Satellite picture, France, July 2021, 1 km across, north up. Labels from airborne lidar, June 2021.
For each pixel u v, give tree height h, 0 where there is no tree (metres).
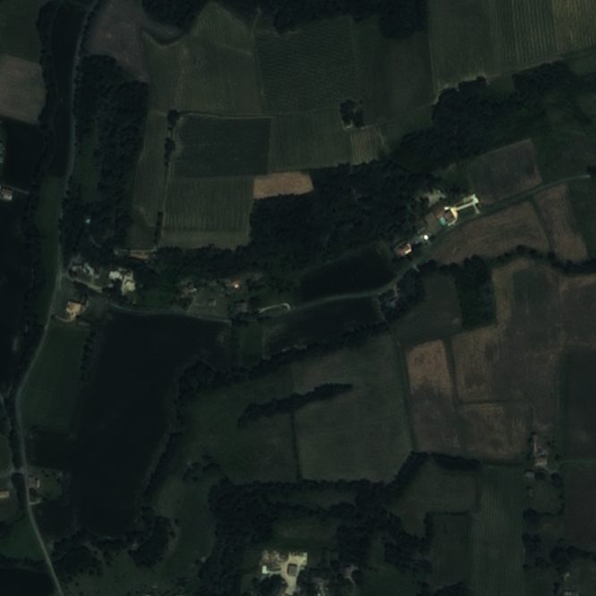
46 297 0
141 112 16
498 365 0
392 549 16
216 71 0
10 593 0
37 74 0
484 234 0
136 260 10
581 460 0
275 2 18
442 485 0
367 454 0
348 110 12
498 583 0
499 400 0
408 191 22
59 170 0
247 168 0
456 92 20
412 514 0
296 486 11
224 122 0
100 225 18
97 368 0
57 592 0
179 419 11
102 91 11
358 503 15
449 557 0
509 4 0
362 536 7
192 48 0
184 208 0
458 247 0
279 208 14
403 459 0
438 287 0
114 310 0
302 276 0
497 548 0
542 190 0
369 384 0
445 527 0
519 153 0
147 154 0
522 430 0
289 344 0
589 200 0
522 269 0
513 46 0
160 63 0
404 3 11
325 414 0
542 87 18
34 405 0
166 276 15
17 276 0
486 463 0
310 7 21
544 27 0
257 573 0
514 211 0
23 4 0
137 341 0
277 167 0
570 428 0
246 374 22
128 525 0
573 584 0
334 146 0
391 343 0
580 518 0
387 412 0
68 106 0
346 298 0
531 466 0
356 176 15
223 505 14
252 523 11
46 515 0
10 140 0
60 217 0
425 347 0
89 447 0
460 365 0
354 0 22
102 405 0
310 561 0
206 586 6
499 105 16
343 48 0
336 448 0
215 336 0
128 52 0
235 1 13
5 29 0
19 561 13
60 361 0
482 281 6
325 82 0
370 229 7
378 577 0
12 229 0
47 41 13
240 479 0
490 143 7
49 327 0
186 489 0
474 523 0
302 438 0
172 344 0
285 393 0
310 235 14
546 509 0
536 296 0
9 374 0
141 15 0
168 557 0
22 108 0
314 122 0
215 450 0
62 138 0
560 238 0
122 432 0
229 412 0
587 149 0
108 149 7
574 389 0
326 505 0
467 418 0
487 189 0
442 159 18
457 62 0
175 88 0
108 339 0
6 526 16
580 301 0
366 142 0
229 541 10
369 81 0
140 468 0
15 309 0
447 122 20
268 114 0
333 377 0
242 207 0
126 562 0
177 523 9
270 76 0
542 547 21
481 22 0
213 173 0
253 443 0
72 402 0
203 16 0
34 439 0
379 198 17
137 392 0
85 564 10
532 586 0
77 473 0
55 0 7
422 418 0
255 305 14
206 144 0
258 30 0
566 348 0
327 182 8
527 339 0
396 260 14
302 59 0
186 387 14
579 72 0
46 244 0
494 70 0
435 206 0
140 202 0
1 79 0
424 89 0
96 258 17
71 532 0
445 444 0
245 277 0
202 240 0
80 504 0
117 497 0
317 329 0
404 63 0
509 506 0
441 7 0
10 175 0
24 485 14
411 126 0
